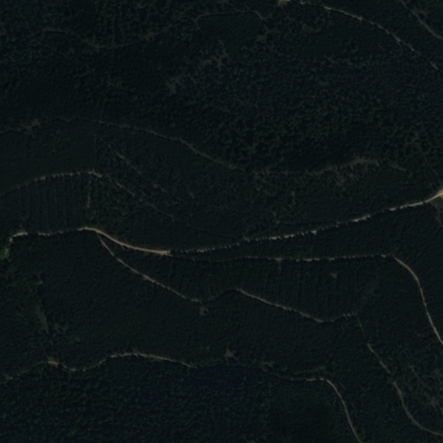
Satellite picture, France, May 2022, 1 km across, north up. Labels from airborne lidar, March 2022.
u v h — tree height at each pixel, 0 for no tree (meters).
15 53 22
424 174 16
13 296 12
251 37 16
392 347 11
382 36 11
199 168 10
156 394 13
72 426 27
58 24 13
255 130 29
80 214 15
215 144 14
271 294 14
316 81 31
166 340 11
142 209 11
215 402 31
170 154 11
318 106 30
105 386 28
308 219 13
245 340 22
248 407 31
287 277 14
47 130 7
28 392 16
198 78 27
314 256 13
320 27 12
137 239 7
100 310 18
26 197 17
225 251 18
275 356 19
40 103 12
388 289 11
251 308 17
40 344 32
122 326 12
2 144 11
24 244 14
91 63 9
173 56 15
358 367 10
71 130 10
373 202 20
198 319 17
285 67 24
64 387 12
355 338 11
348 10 14
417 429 11
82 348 11
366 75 33
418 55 17
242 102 30
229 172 10
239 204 12
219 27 9
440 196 0
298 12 13
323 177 17
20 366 28
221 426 27
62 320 14
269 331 21
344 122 8
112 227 6
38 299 14
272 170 12
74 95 13
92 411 30
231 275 19
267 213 11
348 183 8
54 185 13
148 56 14
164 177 11
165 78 10
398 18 15
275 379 20
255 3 15
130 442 33
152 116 15
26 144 11
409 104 20
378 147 9
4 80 16
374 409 7
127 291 21
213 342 14
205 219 10
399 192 19
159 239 11
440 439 13
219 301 15
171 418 29
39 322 8
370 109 34
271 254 12
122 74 9
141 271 15
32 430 20
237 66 7
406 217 17
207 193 10
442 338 10
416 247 12
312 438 8
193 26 18
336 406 33
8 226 29
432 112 26
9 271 15
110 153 28
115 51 13
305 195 10
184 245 11
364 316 13
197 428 32
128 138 11
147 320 14
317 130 33
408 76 16
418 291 12
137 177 11
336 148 11
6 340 23
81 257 20
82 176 16
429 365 7
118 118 13
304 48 11
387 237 17
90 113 12
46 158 16
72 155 15
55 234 16
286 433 6
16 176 16
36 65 14
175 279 14
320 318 13
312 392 11
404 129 21
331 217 12
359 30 16
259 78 31
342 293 13
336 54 10
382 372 10
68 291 22
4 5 35
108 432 32
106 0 9
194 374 21
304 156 15
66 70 14
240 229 10
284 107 34
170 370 20
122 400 19
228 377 34
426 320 12
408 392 31
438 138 34
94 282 17
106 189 21
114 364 17
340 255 10
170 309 18
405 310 12
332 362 23
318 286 18
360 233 19
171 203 8
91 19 14
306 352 17
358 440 12
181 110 14
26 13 35
